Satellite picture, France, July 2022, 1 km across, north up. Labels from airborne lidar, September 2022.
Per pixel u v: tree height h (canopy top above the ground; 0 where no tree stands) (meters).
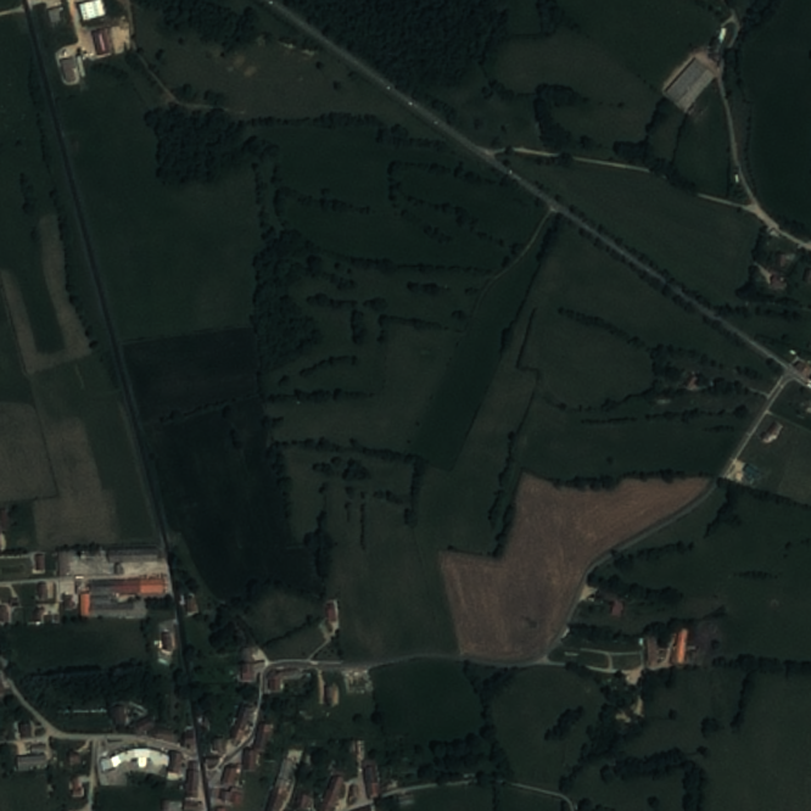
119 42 0
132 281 0
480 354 0
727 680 0
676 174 20
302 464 0
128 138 0
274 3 0
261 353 6
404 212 6
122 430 0
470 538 0
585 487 19
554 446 0
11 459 0
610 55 0
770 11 17
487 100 8
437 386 0
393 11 22
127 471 0
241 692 14
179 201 0
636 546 0
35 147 0
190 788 0
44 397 0
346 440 0
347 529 0
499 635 0
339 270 11
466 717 0
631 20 0
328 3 11
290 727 0
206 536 0
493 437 0
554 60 0
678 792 0
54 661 0
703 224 0
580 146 8
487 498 0
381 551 0
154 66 6
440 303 0
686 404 0
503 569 0
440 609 0
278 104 0
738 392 8
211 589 0
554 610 0
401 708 0
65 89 0
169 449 0
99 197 0
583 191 0
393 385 0
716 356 0
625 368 0
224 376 0
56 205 7
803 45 0
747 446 0
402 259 0
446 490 0
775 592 0
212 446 0
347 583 0
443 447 0
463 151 0
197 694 18
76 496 0
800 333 0
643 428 0
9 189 0
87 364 0
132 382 0
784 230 10
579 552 0
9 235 0
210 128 17
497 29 13
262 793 0
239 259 0
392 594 0
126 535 0
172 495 0
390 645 0
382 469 0
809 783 0
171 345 0
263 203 12
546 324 0
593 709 0
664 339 0
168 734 0
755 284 12
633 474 7
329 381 0
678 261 0
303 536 0
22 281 0
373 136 0
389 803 11
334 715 0
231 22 10
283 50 0
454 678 0
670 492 0
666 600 14
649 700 19
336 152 0
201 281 0
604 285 0
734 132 0
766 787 0
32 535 0
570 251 0
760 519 0
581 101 13
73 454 0
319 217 0
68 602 0
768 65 0
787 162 0
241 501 0
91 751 0
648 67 0
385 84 0
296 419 0
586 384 0
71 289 14
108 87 0
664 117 17
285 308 15
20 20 0
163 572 0
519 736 0
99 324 0
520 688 0
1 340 0
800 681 0
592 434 0
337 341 0
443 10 18
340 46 17
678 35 0
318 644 0
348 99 0
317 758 14
